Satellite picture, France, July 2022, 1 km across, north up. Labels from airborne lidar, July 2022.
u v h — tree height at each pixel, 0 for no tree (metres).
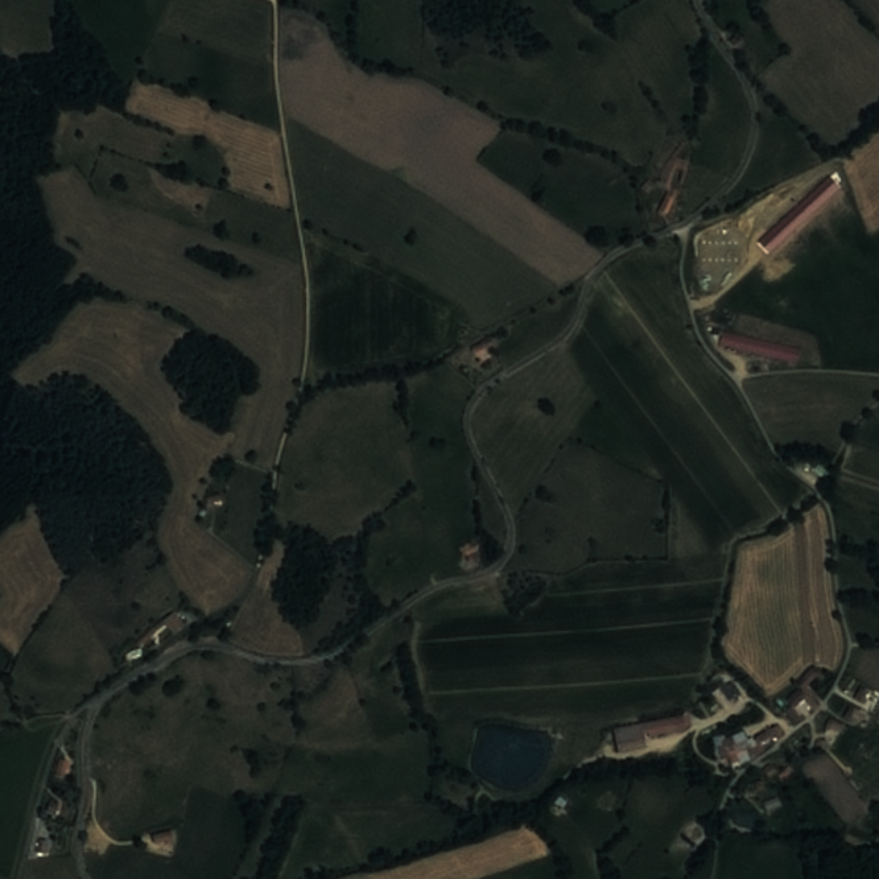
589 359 0
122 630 0
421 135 0
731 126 0
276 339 0
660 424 0
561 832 0
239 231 0
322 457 0
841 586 0
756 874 0
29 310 17
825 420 0
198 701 0
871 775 0
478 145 0
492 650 0
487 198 0
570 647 0
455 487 0
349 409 0
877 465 0
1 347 12
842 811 0
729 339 0
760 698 17
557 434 0
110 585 0
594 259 0
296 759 0
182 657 0
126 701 0
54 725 0
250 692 0
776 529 13
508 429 0
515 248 0
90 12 0
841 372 0
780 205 0
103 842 0
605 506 0
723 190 0
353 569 9
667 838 0
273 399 0
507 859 0
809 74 0
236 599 0
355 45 12
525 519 0
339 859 0
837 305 0
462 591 0
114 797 0
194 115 0
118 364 0
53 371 0
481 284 0
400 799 0
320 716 0
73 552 12
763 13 21
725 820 15
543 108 0
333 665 14
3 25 0
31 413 20
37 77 14
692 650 0
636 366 0
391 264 0
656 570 0
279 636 0
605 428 0
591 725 0
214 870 0
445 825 0
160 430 0
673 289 0
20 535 0
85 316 0
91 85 24
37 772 0
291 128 0
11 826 0
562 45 0
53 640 0
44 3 0
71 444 22
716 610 0
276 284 0
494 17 7
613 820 0
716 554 0
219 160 0
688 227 0
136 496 14
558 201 0
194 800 0
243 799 12
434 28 12
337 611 0
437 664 0
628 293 0
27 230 9
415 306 0
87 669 0
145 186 0
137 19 0
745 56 12
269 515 7
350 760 0
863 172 0
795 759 11
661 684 0
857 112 0
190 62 0
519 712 0
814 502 11
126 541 12
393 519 0
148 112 0
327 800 0
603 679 0
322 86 0
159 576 0
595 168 0
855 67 0
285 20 0
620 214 0
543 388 0
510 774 0
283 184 0
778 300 0
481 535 8
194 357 8
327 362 0
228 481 8
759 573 0
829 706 0
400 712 0
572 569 0
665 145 0
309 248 0
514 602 7
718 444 0
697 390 0
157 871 0
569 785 16
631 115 0
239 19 0
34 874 0
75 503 14
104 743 0
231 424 8
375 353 0
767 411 0
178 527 0
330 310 0
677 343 0
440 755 17
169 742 0
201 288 0
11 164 10
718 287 0
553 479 0
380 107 0
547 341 0
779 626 0
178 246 0
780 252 0
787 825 0
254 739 0
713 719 0
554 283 0
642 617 0
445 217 0
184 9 0
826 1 0
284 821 12
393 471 0
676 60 0
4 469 13
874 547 16
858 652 0
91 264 0
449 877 0
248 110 0
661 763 11
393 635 0
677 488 0
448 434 0
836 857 17
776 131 0
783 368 0
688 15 0
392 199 0
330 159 0
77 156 0
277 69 0
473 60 0
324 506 0
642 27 0
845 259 0
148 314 0
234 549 0
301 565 11
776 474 0
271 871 13
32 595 0
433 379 0
